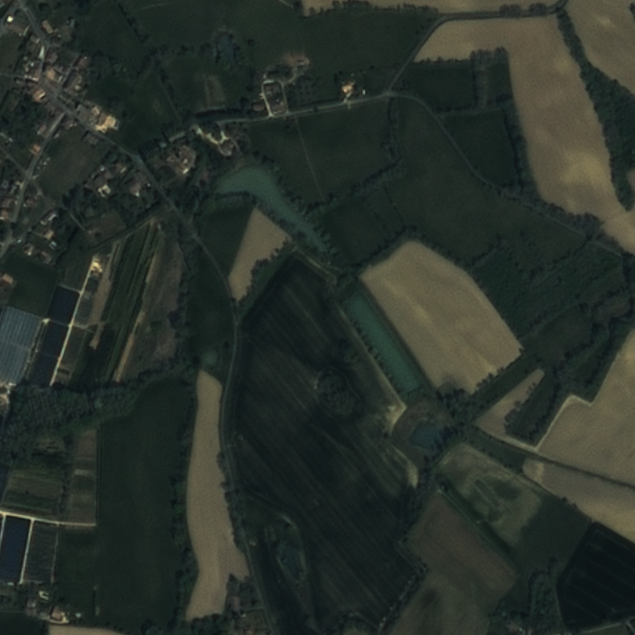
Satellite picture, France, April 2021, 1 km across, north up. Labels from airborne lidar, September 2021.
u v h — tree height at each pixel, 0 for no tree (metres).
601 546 0
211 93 0
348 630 14
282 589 0
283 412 0
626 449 0
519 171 12
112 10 0
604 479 0
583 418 0
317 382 0
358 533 0
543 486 0
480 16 0
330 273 0
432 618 0
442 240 0
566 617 0
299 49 0
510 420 15
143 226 0
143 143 0
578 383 16
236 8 0
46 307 0
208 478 0
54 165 0
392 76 0
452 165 0
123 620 0
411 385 0
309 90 12
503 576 0
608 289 0
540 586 16
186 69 0
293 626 0
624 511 0
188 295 7
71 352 0
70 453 16
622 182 17
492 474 0
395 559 0
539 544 0
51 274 0
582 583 0
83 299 0
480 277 8
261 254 0
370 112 0
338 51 0
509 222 0
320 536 0
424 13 13
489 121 0
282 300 0
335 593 0
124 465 0
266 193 0
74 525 0
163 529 0
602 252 6
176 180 0
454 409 23
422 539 0
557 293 6
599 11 0
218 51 10
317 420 0
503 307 8
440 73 0
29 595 9
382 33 0
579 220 13
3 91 0
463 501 0
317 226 20
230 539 0
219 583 0
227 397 0
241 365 0
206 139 9
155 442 0
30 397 30
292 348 0
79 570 0
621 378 0
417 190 0
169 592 0
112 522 0
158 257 0
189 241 14
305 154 0
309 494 0
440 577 0
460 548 0
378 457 0
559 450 0
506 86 0
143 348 0
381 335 0
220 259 0
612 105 16
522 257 0
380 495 0
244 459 0
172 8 0
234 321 0
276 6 0
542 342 0
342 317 0
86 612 0
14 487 0
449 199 0
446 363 0
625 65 0
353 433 0
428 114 0
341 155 0
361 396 0
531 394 9
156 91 0
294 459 0
